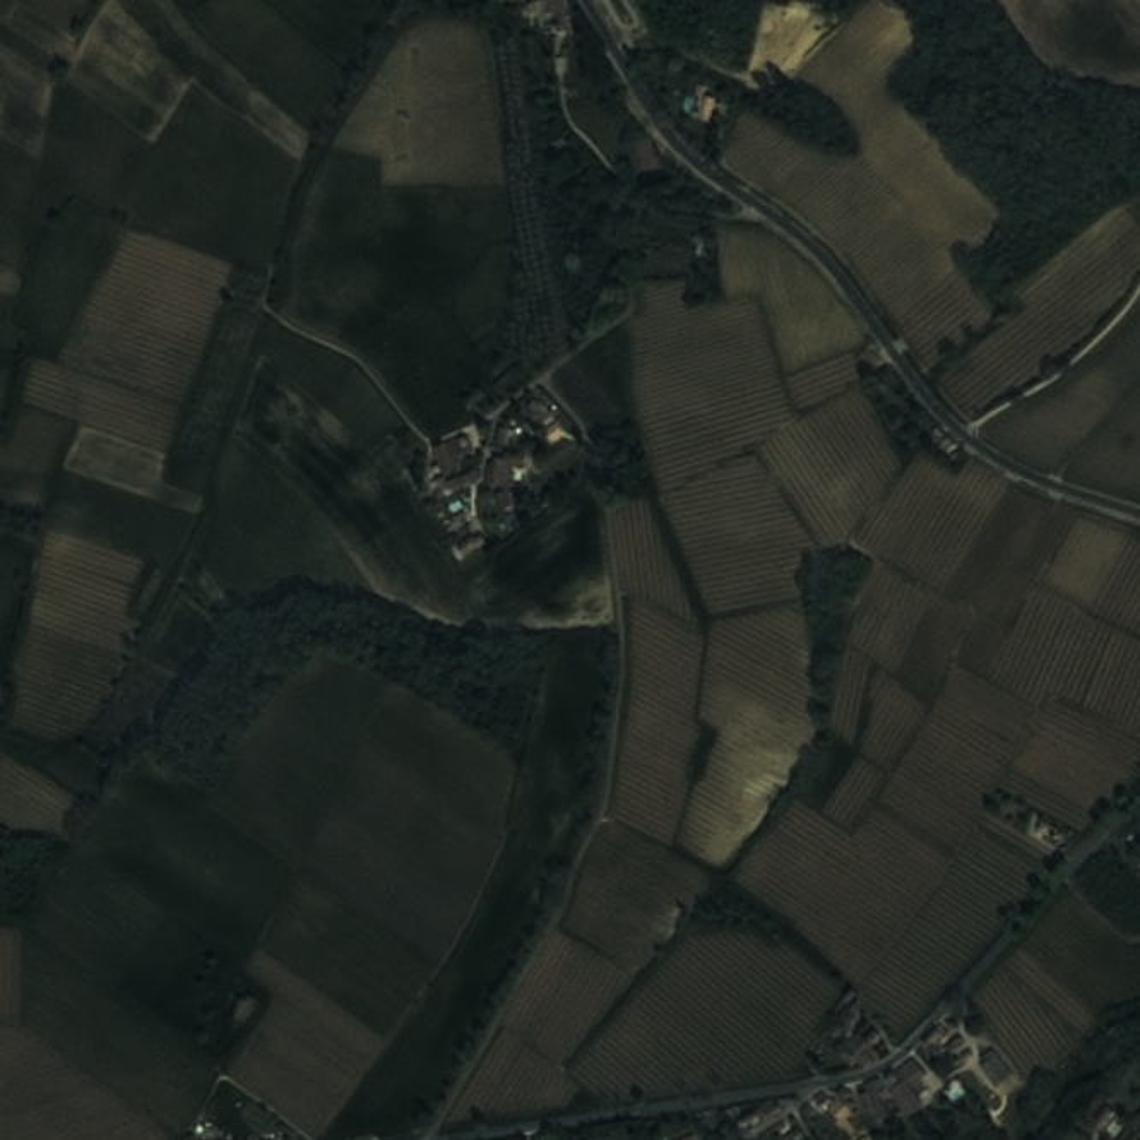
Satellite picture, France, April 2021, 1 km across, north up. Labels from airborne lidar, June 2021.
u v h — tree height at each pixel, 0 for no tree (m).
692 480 0
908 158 0
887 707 0
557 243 23
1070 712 0
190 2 0
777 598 0
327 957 0
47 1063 0
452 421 0
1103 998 0
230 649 16
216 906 0
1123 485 0
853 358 0
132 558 0
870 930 0
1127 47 0
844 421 0
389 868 0
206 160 0
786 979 0
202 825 0
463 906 0
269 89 0
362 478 0
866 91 0
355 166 0
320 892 0
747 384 0
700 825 0
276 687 16
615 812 0
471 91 0
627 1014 0
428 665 24
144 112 0
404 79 0
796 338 0
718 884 0
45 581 0
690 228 6
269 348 0
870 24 0
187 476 0
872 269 0
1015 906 0
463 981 0
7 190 0
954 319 0
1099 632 0
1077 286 0
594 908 0
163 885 0
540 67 0
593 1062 0
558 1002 0
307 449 0
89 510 0
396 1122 0
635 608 0
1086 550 0
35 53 0
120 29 0
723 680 0
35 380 0
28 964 0
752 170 0
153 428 0
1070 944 0
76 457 0
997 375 0
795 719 0
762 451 0
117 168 0
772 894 0
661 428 0
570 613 0
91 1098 0
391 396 0
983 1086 0
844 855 0
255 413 0
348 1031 0
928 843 0
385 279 0
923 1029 0
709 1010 0
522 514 10
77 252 0
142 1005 0
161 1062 0
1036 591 0
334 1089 0
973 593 0
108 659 0
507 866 0
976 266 15
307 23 0
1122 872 7
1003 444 0
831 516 0
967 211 0
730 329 0
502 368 19
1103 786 0
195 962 0
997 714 0
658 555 0
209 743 18
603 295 20
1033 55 21
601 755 17
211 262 0
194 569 0
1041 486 0
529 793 0
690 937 0
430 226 0
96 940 0
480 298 0
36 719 0
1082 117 21
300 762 0
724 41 13
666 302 0
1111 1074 17
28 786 0
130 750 17
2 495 0
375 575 0
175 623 0
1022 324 0
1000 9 15
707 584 0
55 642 0
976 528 0
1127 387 0
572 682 0
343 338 0
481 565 0
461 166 0
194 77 0
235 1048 0
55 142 0
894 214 0
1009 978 0
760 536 0
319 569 0
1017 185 19
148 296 0
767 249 0
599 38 11
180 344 0
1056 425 0
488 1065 0
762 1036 0
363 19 0
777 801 11
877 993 0
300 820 0
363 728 0
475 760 0
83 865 0
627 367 0
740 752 0
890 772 0
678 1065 0
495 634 10
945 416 0
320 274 0
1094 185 18
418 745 0
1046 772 0
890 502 0
